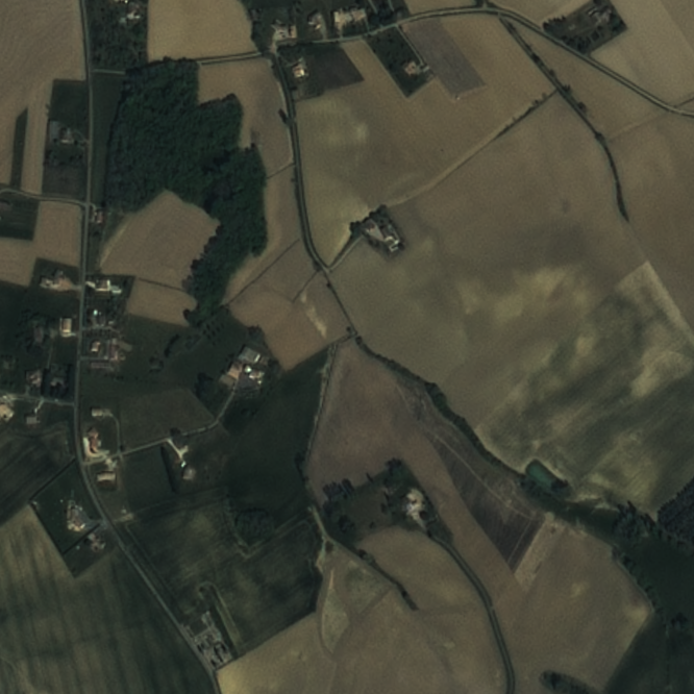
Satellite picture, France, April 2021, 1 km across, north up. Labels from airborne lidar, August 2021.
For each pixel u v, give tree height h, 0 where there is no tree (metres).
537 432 0
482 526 0
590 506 0
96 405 0
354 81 0
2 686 0
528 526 0
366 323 0
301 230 0
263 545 0
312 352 0
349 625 0
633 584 0
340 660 0
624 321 0
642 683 0
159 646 0
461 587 0
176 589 0
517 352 0
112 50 8
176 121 18
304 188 0
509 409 0
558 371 0
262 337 17
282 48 7
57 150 0
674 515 14
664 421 0
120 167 20
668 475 0
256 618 0
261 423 0
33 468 0
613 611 0
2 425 0
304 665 0
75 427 0
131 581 0
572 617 0
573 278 0
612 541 0
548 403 0
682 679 0
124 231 0
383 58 0
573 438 0
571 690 18
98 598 0
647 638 0
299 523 0
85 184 0
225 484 0
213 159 0
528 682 0
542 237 0
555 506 0
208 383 20
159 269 0
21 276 0
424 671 0
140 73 14
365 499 0
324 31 0
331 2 0
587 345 0
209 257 14
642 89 0
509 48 0
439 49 0
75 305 0
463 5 0
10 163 0
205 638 0
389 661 0
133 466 0
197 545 0
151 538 0
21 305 0
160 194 13
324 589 0
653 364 0
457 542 0
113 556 0
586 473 0
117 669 0
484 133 0
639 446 0
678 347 0
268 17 0
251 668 0
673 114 0
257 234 17
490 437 0
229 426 0
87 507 0
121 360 0
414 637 0
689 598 0
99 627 0
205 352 0
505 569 0
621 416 0
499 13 0
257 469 0
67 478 0
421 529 0
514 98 0
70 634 0
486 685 0
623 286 0
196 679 0
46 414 0
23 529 0
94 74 0
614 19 13
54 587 0
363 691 0
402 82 0
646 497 0
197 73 15
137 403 0
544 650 0
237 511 9
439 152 0
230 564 0
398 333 0
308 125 0
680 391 0
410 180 0
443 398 14
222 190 10
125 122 19
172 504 0
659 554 0
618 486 0
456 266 0
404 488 0
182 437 13
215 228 0
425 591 0
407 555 0
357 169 0
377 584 0
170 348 13
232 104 16
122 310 6
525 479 15
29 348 7
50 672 0
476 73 0
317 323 0
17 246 0
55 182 0
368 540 0
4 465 0
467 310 0
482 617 0
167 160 24
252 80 0
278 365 11
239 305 0
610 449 0
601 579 0
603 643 0
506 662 0
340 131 0
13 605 0
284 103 0
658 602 17
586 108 13
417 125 0
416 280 0
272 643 0
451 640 0
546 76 0
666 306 0
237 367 0
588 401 0
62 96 0
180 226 0
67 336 0
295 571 0
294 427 0
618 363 0
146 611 0
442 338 0
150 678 0
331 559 0
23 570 0
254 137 0
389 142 0
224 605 0
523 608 0
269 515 8
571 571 0
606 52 0
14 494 0
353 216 0
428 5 0
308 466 22
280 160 0
